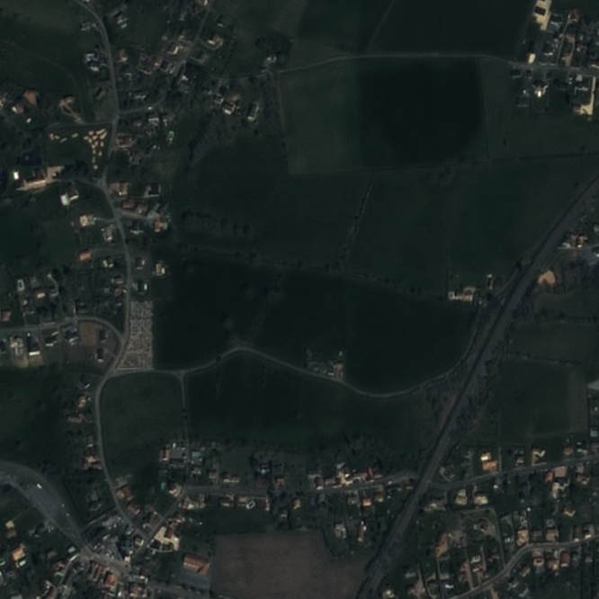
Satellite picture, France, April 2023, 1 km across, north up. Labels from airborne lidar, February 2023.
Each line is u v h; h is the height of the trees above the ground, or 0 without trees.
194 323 0
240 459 0
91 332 0
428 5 0
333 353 0
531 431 0
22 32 0
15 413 0
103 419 0
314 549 0
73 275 16
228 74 0
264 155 0
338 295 0
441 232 0
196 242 0
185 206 0
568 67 0
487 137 0
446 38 0
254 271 0
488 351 0
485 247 0
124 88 13
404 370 0
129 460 0
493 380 12
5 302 0
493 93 0
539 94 0
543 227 0
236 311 0
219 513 0
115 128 0
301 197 0
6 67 0
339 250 0
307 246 0
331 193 0
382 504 0
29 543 0
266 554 0
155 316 0
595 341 0
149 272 0
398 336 0
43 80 0
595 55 8
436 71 0
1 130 0
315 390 0
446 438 0
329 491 0
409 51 0
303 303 0
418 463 8
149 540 0
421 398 0
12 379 0
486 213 0
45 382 0
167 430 0
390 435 0
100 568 0
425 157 0
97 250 0
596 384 0
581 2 0
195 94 6
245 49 0
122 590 0
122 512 0
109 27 12
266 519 0
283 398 0
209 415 0
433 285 0
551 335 0
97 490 10
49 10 0
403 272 0
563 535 9
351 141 0
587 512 0
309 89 0
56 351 0
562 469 0
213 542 9
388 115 0
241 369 0
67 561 7
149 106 0
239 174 0
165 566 0
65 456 0
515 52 0
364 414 0
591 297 0
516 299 0
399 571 0
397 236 0
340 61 0
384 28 0
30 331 0
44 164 0
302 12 0
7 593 0
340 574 0
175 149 0
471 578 0
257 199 0
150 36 0
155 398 0
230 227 18
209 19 0
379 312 0
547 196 0
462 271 0
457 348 0
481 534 0
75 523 0
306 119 0
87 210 0
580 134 0
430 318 0
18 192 0
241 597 0
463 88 0
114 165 13
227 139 28
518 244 0
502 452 6
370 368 0
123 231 0
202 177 0
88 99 0
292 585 0
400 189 0
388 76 0
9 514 0
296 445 0
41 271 12
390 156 0
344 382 0
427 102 0
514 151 0
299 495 8
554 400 0
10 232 0
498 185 0
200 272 0
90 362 0
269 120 19
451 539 0
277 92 13
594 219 0
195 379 0
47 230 0
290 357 0
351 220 0
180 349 0
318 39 0
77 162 0
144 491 0
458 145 0
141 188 0
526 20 0
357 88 0
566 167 0
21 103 11
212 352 0
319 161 0
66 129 0
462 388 0
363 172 0
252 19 0
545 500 0
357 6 0
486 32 0
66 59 0
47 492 0
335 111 0
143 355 0
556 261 0
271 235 0
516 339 0
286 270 0
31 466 7
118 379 0
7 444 0
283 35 0
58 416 0
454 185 0
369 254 0
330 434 0
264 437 0
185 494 0
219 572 0
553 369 0
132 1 9
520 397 0
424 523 0
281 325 0
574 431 0
